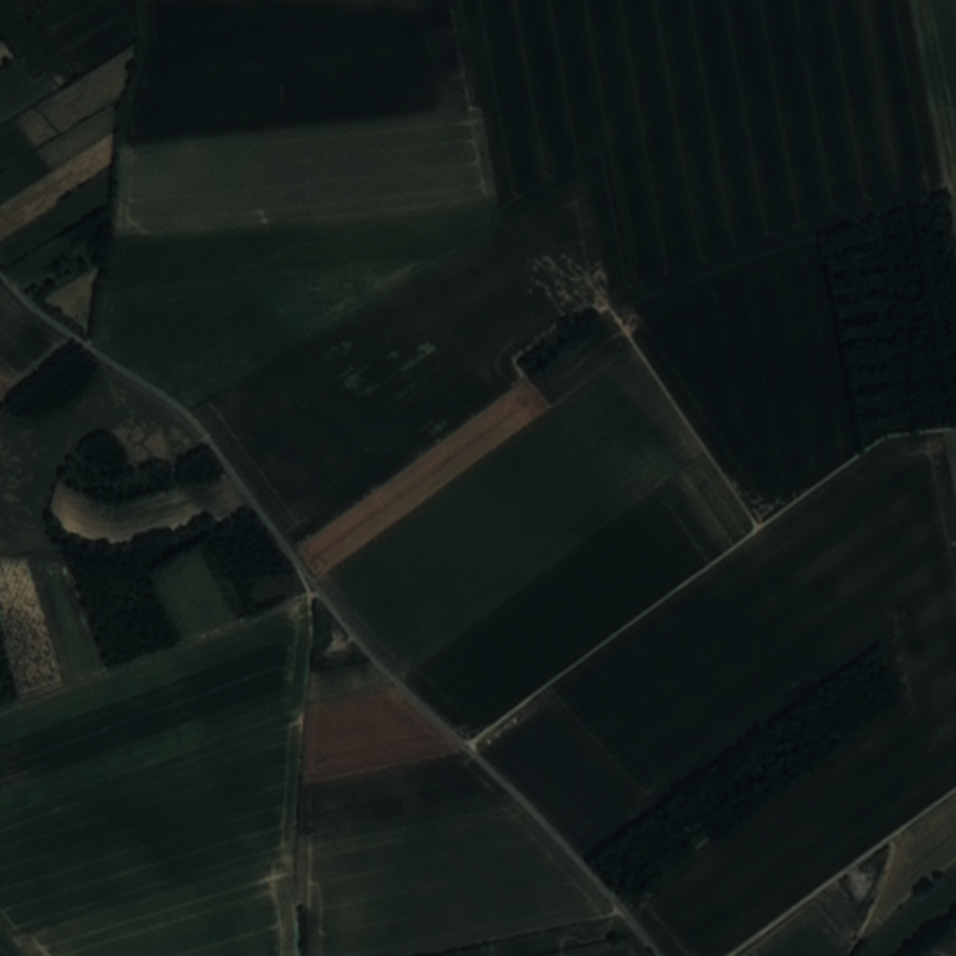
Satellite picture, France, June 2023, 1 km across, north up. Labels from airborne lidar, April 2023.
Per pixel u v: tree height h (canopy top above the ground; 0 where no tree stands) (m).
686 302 0
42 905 0
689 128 0
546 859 0
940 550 0
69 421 0
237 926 0
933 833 0
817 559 0
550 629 0
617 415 0
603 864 11
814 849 0
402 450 0
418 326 0
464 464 0
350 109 0
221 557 13
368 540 0
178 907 0
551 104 0
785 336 0
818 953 0
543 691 0
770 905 0
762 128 0
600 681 0
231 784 0
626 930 0
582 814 0
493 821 0
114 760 0
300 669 0
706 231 0
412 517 0
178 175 0
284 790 0
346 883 0
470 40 0
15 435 0
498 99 0
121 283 0
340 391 0
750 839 0
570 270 0
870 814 0
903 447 0
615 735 0
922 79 0
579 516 0
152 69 0
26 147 0
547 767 0
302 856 0
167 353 0
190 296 0
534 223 0
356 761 0
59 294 0
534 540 0
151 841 0
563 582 0
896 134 0
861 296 17
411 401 0
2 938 0
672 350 0
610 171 0
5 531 0
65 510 0
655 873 10
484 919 0
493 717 0
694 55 0
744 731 0
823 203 0
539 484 0
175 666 0
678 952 0
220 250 0
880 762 0
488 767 0
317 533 0
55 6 0
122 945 0
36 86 0
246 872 0
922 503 0
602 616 0
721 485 0
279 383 0
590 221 0
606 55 0
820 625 0
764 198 0
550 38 0
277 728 0
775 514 0
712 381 0
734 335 0
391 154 0
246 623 0
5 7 0
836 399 0
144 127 0
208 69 0
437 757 0
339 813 0
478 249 0
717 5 0
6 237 0
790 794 0
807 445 0
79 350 10
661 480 0
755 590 0
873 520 0
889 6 0
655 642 0
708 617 0
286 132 0
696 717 0
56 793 0
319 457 0
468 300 0
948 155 0
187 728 0
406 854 0
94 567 11
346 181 0
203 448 10
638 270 0
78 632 0
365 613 0
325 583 0
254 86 0
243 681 0
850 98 0
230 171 0
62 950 0
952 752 0
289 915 0
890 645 0
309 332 0
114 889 0
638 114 0
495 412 0
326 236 0
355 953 0
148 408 0
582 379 0
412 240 0
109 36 0
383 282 0
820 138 0
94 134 0
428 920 0
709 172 0
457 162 0
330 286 0
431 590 0
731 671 0
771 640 0
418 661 0
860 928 0
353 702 0
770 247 0
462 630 0
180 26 0
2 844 0
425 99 0
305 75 0
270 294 0
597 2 0
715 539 0
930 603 0
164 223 0
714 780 14
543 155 0
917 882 0
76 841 0
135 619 14
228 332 0
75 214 0
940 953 0
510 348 0
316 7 0
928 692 0
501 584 0
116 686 0
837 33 0
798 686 0
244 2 0
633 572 0
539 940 0
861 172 0
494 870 0
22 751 0
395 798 0
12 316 0
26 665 0
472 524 0
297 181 0
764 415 0
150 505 0
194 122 0
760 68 0
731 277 0
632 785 0
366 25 0
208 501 0
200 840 0
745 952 0
